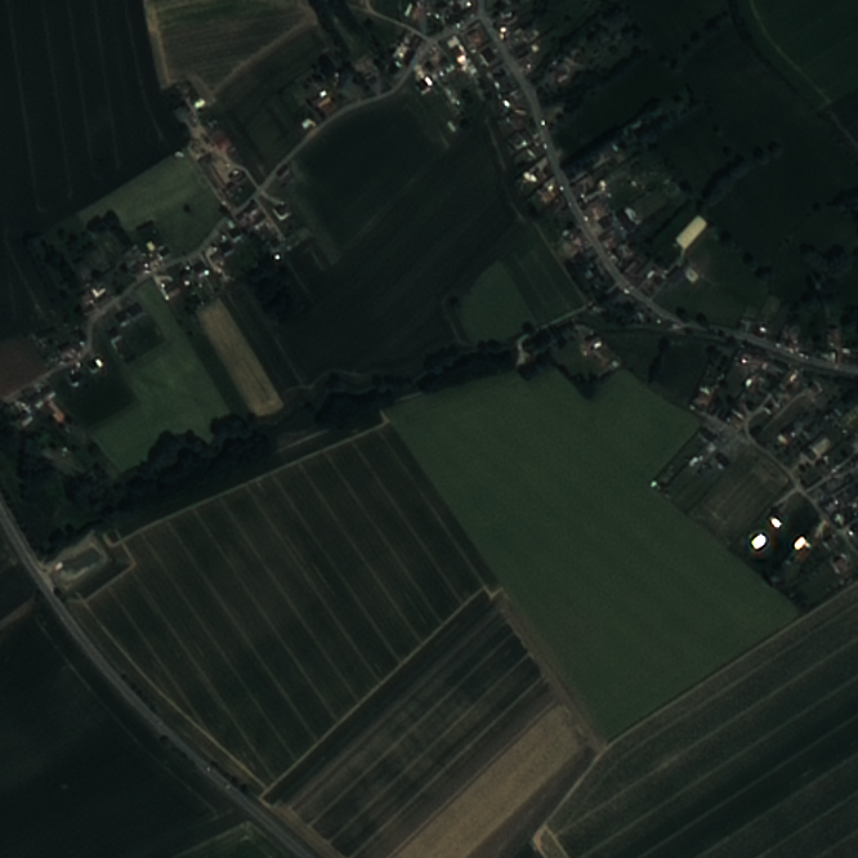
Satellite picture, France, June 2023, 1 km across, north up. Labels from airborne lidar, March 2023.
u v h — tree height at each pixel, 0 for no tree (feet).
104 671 0
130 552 0
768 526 0
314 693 0
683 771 0
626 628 0
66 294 29
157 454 53
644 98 0
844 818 0
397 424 0
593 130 0
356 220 0
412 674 0
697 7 0
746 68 0
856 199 53
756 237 0
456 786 0
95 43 0
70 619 0
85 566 0
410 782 0
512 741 0
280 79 0
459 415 0
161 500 39
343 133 0
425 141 0
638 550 0
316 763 0
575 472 0
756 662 0
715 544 0
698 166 0
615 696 0
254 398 0
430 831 0
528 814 0
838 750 0
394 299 0
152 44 0
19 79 0
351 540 0
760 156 50
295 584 0
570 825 0
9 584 0
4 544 0
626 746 0
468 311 0
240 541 0
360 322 0
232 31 0
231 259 0
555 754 0
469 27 0
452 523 0
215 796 0
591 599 0
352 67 42
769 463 0
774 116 0
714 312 0
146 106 0
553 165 0
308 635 0
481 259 0
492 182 0
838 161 0
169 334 0
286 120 0
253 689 0
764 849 0
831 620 0
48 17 0
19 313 0
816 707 0
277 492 0
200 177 0
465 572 0
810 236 0
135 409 0
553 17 0
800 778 0
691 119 0
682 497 0
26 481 82
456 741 0
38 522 0
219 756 0
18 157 0
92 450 35
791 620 0
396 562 0
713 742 0
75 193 0
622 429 0
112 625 0
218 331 0
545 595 0
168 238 0
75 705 0
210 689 0
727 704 0
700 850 0
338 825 0
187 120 0
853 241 0
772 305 0
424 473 0
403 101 0
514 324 0
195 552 0
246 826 0
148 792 0
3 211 0
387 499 0
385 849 0
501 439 0
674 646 0
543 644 0
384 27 0
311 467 0
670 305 0
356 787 0
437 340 0
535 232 0
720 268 0
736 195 0
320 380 0
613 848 0
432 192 0
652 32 0
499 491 0
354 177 0
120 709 0
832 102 0
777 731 0
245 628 0
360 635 0
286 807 0
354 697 0
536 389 0
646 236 0
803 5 0
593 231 0
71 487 78
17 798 0
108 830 0
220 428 65
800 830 0
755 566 0
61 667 0
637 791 0
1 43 0
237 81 0
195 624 0
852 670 0
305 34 0
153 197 0
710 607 0
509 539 0
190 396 0
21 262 0
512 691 0
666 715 0
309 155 0
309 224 0
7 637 0
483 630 0
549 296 0
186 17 0
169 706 0
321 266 0
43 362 0
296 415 0
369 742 0
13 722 0
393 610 0
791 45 0
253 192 0
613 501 0
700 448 0
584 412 0
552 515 0
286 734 0
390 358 0
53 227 0
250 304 0
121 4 0
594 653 0
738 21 33
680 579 0
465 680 0
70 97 0
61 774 0
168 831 0
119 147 0
